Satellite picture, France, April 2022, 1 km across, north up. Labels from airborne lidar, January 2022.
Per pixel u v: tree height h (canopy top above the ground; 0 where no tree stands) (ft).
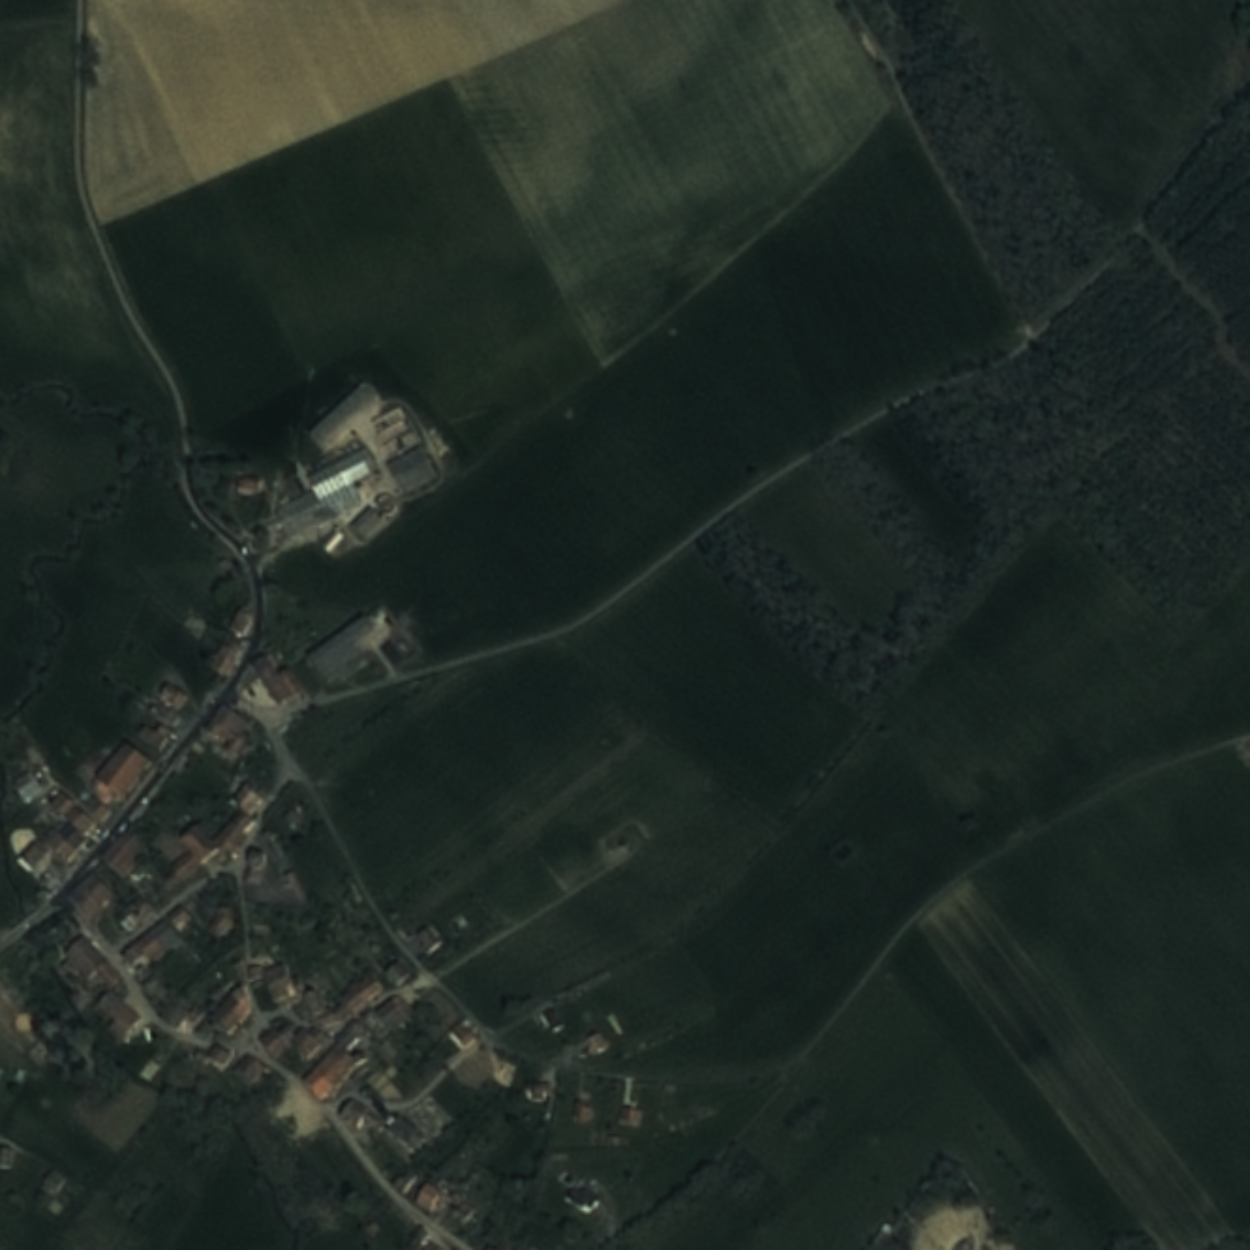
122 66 0
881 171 0
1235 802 0
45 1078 0
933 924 0
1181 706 0
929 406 24
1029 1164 0
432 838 0
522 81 0
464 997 0
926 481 0
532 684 0
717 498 0
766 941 0
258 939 30
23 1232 0
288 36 0
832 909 0
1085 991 0
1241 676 0
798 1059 0
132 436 46
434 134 0
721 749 0
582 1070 0
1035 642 0
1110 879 0
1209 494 30
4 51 0
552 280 0
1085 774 0
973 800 0
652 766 0
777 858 0
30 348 0
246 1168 0
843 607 0
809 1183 0
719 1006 0
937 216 0
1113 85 0
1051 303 59
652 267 0
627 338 0
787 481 0
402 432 0
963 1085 0
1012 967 0
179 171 0
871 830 0
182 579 0
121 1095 34
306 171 0
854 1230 0
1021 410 55
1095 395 30
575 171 0
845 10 36
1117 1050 0
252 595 0
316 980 0
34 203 0
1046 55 0
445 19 0
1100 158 0
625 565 0
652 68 0
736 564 71
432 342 0
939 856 0
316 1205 0
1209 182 50
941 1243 0
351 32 0
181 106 0
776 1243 0
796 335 0
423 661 0
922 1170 0
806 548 0
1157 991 0
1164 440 23
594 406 0
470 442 0
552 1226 23
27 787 0
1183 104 0
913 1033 0
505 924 0
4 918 0
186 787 0
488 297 0
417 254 0
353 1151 0
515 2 0
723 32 0
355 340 0
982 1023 0
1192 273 39
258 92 0
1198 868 0
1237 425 24
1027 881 0
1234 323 37
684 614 0
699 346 0
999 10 0
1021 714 0
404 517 0
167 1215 0
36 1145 0
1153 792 0
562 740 0
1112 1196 0
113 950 0
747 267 0
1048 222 82
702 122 0
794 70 0
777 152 0
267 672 0
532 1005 24
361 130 0
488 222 0
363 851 0
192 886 0
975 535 0
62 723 0
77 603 0
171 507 0
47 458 0
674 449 0
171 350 0
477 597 0
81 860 0
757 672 0
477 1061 0
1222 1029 0
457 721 0
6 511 0
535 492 0
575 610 0
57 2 0
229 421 0
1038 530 64
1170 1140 0
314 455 0
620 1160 0
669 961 0
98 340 0
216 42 0
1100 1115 0
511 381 0
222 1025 0
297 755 0
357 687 0
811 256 0
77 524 47
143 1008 0
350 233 0
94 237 0
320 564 0
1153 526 30
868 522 39
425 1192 0
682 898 0
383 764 0
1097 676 0
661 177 0
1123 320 31
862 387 0
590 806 0
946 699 0
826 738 0
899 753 0
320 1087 0
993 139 77
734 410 0
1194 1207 0
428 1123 0
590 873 0
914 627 72
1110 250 62
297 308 0
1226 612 0
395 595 0
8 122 0
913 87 54
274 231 0
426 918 0
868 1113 0
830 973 0
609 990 0
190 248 0
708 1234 0
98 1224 0
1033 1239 0
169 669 0
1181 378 20
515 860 0
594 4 0
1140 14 0
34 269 0
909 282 0
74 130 0
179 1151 0
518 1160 0
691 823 0
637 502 0
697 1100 0
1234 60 0
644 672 0
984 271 0
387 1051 0
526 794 0
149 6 0
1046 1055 0
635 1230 42
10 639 0
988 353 0
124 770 0
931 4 51
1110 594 0
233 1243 0
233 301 0
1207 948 0
